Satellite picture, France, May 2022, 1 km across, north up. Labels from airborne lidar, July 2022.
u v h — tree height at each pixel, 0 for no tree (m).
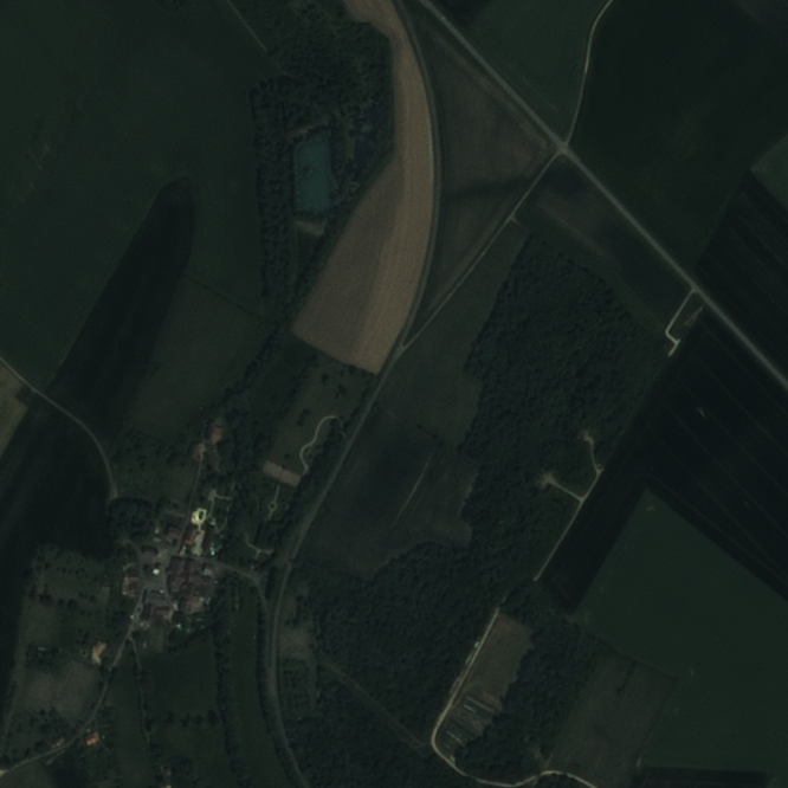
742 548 0
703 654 0
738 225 0
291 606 0
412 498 0
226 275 0
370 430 0
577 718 0
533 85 0
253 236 0
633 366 8
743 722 0
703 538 0
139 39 0
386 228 0
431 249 0
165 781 19
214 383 0
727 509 0
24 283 0
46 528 0
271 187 22
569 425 12
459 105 0
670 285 0
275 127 15
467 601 9
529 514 19
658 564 0
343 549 0
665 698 0
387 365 0
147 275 0
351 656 20
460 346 0
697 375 0
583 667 16
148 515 12
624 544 0
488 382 11
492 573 15
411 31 0
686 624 0
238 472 9
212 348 0
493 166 0
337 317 0
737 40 0
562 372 17
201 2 0
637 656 0
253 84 0
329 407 0
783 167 0
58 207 0
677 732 0
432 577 10
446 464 0
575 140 0
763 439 0
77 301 0
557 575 0
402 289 0
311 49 9
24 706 0
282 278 19
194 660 0
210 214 0
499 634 0
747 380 0
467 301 0
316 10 11
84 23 0
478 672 0
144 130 0
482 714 0
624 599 0
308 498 12
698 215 0
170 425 0
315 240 0
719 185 0
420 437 0
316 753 16
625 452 0
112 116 0
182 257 0
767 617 0
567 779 12
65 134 0
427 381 0
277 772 0
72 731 7
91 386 0
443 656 13
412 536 0
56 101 0
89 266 0
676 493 0
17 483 0
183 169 0
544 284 18
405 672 11
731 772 0
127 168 0
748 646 0
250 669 0
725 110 0
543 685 23
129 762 0
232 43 0
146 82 0
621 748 0
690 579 0
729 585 0
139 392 0
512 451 17
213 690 0
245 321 0
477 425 10
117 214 0
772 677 0
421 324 0
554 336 17
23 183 0
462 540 0
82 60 0
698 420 0
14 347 0
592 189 0
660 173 0
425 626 14
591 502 0
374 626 16
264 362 20
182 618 10
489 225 0
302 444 0
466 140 0
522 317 18
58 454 0
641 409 0
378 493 0
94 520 0
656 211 0
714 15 0
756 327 0
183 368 0
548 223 0
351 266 0
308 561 7
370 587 14
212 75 0
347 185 20
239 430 24
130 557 8
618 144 0
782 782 0
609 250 0
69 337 0
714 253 0
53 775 0
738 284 0
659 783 0
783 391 0
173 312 0
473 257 0
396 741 12
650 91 0
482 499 20
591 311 18
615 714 0
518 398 15
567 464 0
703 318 0
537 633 10
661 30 0
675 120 0
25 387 0
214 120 0
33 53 0
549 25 0
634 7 0
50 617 0
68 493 0
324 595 10
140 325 0
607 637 0
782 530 0
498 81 0
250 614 0
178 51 0
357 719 15
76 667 0
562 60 0
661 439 0
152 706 8
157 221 0
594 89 0
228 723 20
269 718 13
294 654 0
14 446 0
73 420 0
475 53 0
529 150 0
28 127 0
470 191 0
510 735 15
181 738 0
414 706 12
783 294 0
